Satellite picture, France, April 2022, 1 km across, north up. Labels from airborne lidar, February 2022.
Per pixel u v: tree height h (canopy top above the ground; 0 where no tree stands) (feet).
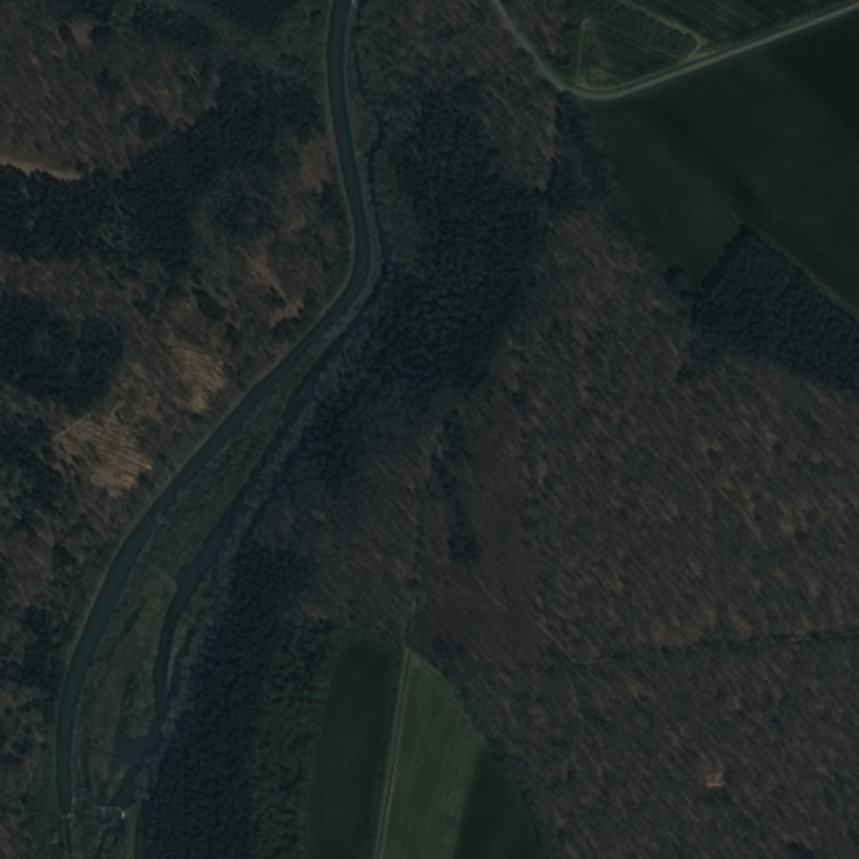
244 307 72
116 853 0
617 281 91
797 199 0
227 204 91
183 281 77
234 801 99
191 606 0
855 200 0
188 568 0
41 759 100
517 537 0
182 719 48
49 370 75
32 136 74
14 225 62
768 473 89
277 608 84
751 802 0
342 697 0
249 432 22
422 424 59
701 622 98
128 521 77
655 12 0
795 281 85
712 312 104
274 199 72
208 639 48
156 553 23
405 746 0
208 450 0
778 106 0
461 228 80
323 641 66
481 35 84
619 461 0
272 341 81
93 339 38
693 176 0
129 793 0
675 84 0
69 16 88
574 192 105
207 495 36
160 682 0
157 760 61
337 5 0
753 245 98
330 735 0
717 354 34
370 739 0
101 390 83
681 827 93
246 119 98
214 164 99
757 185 0
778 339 94
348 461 74
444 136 106
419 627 49
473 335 75
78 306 83
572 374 82
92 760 0
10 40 96
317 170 0
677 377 94
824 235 0
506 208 80
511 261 79
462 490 86
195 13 95
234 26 84
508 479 0
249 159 89
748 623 71
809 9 0
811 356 99
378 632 89
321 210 85
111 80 81
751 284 103
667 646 0
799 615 83
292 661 74
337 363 72
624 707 0
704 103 0
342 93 0
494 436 63
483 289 87
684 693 97
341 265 63
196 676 47
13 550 93
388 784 0
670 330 95
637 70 0
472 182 78
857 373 90
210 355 0
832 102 0
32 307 85
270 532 83
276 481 58
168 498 0
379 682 0
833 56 0
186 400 0
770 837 105
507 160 95
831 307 84
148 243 90
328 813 0
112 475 0
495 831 0
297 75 96
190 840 99
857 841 70
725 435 102
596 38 0
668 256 0
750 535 102
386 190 62
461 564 71
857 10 0
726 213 0
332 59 0
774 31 0
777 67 0
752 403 101
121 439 0
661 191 0
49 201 69
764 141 0
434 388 111
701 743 0
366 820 0
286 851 73
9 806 91
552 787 95
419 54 93
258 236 61
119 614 21
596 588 0
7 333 88
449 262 110
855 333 81
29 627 71
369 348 61
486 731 74
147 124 94
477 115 86
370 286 0
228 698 48
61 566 28
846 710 93
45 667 56
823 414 93
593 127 81
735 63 0
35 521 90
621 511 0
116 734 0
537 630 74
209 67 63
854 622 90
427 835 0
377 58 63
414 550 95
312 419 78
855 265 0
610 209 96
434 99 99
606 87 0
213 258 78
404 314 90
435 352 72
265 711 71
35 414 84
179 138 91
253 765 81
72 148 91
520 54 94
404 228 66
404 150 90
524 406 59
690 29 0
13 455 55
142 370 0
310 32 97
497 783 0
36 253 90
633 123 0
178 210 82
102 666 19
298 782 40
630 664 91
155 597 0
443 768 0
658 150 0
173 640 0
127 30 83
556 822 81
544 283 74
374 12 76
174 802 100
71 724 0
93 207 61
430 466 85
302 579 91
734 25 0
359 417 105
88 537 95
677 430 96
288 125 74
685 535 0
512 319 83
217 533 0
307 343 0
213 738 84
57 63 89
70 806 0
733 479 102
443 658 73
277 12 87
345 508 94
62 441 0
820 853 96
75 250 87
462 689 78
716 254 0
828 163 0
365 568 0
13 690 99
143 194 90
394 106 79
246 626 81
